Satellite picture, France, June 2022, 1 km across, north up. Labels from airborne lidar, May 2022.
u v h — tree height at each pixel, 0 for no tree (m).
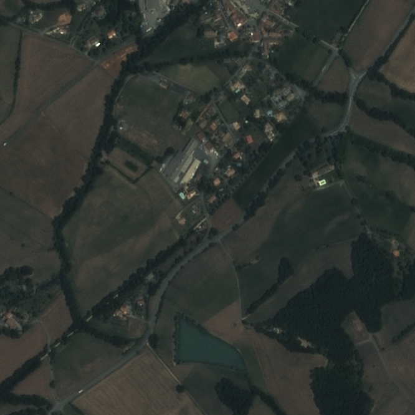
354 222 0
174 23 15
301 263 0
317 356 0
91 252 0
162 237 0
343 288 16
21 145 0
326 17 0
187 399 0
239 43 0
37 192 0
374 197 0
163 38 27
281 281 14
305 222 0
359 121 0
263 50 0
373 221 0
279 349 0
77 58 0
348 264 0
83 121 0
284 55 0
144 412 0
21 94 0
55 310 0
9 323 0
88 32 6
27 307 0
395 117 16
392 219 0
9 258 0
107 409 0
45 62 0
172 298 0
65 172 0
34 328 0
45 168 0
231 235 0
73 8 18
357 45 0
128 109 0
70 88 0
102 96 0
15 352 0
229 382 17
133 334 0
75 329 18
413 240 0
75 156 0
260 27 0
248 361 0
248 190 0
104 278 0
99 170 15
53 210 0
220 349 0
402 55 0
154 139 0
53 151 0
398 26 0
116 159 0
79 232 0
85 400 0
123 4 17
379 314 19
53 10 13
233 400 7
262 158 14
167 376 0
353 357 10
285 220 0
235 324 0
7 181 0
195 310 0
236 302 0
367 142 19
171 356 0
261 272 0
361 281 16
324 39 0
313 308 18
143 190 0
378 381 0
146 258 0
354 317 0
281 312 14
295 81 12
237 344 0
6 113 0
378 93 0
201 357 0
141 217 0
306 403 0
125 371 0
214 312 0
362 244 12
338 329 17
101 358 0
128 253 0
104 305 15
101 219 0
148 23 0
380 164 0
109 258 0
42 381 0
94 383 0
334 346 20
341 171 18
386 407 0
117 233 0
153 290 16
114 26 7
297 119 0
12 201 0
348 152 27
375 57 0
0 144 0
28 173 0
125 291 11
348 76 0
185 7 8
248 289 0
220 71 0
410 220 0
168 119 0
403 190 0
